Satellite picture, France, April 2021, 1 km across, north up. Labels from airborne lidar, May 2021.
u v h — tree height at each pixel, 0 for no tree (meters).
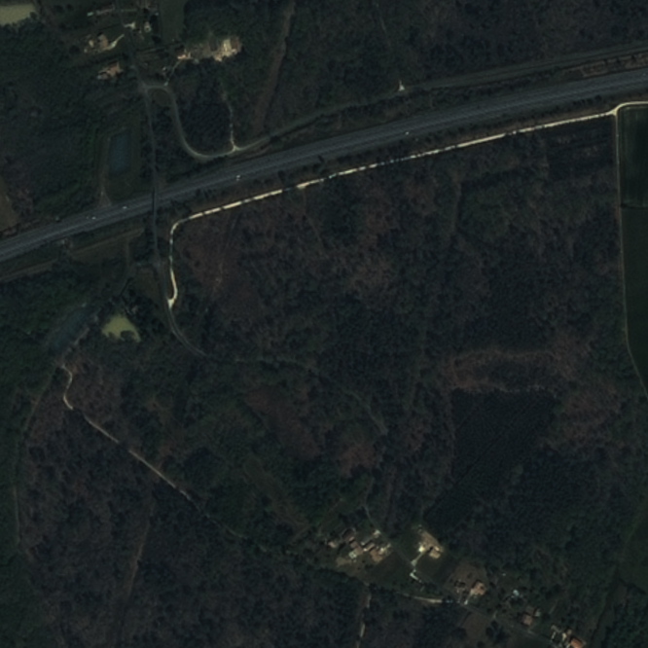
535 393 10
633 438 18
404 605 11
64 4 0
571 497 25
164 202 0
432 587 8
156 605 11
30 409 18
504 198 24
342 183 12
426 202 11
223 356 9
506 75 0
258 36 22
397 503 14
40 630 15
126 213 0
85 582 18
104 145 0
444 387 6
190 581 10
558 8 11
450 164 19
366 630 7
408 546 0
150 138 10
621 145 0
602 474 21
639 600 16
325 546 7
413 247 10
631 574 0
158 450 12
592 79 0
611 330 23
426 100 16
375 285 6
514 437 11
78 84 18
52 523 11
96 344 11
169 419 0
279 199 8
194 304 11
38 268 0
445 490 8
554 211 15
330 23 18
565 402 20
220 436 8
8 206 0
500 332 24
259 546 9
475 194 23
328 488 19
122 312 8
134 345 18
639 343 0
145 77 7
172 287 0
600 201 20
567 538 17
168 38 0
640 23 12
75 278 17
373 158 12
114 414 9
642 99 8
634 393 19
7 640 23
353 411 15
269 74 11
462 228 12
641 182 0
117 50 0
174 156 8
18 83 9
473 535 13
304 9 21
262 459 19
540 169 16
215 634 24
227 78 22
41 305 24
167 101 0
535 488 25
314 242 17
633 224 0
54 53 12
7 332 19
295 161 0
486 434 13
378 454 10
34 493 19
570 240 11
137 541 0
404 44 20
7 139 10
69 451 12
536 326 26
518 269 25
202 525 20
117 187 0
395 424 22
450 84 0
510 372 6
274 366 10
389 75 15
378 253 12
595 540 21
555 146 6
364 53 16
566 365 10
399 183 19
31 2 9
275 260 15
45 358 15
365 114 9
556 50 12
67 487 13
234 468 9
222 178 0
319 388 11
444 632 20
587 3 6
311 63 17
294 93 16
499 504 16
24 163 9
